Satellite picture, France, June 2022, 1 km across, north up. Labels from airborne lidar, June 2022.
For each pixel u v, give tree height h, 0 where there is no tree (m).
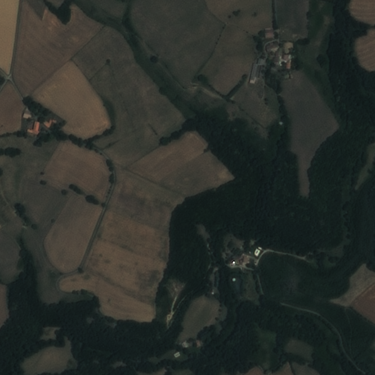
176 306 7
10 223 0
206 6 0
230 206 13
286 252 20
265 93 0
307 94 0
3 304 0
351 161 20
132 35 10
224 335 19
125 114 0
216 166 0
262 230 17
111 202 0
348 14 17
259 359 0
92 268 0
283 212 19
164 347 27
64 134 11
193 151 0
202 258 17
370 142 8
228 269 16
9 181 0
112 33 0
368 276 0
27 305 24
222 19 0
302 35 0
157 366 11
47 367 0
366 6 0
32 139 0
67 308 19
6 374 20
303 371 0
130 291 0
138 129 0
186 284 7
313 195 16
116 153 0
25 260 9
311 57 0
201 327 0
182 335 0
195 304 0
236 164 17
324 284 7
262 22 0
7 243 0
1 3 0
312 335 17
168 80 0
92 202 15
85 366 20
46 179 0
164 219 0
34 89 0
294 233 18
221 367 18
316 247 18
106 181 0
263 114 0
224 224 10
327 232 12
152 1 0
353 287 0
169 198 0
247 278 0
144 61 0
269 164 7
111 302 0
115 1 0
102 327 19
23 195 0
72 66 0
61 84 0
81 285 0
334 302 0
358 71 18
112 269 0
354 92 23
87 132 0
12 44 0
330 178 23
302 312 6
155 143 0
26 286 34
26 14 0
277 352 26
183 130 10
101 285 0
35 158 0
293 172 15
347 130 20
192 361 27
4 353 23
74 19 0
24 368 0
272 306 21
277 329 22
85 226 0
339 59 19
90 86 0
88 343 26
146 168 0
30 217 0
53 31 0
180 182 0
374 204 13
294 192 18
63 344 18
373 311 0
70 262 0
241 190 17
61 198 0
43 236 0
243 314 21
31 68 0
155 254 0
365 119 25
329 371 18
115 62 0
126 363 20
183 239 18
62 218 0
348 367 24
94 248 0
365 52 0
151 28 0
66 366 0
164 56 0
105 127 0
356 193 32
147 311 0
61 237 0
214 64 0
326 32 0
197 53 0
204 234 0
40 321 16
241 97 0
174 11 0
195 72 0
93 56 0
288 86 0
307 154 0
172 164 0
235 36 0
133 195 0
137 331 18
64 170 0
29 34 0
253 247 9
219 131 26
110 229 0
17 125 0
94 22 0
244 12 0
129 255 0
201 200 14
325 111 0
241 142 14
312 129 0
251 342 18
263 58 11
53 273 0
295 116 0
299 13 0
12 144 0
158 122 0
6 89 0
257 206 16
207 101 0
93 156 0
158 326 18
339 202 22
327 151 18
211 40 0
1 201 0
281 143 17
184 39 0
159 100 0
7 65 0
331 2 10
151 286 0
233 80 0
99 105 0
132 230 0
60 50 0
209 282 17
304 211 10
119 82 0
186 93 0
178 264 18
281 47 11
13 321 22
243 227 8
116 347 26
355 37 21
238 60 0
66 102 0
